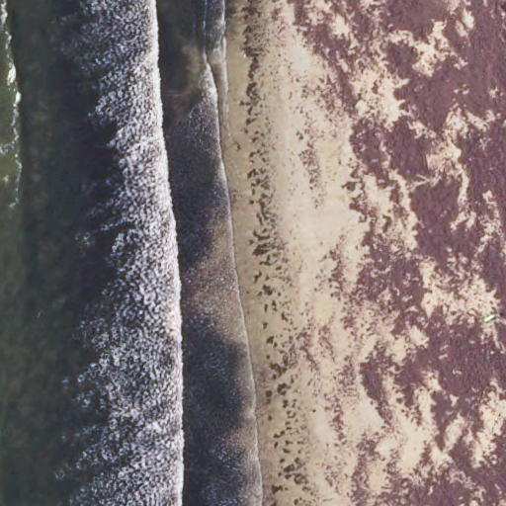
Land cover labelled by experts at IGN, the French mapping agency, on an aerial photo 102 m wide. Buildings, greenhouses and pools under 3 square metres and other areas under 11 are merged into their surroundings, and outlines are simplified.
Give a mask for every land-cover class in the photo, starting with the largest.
<instances>
[{"label":"bare soil","instance_id":"1","mask_svg":"<svg viewBox=\"0 0 506 506\"><path fill-rule=\"evenodd\" d=\"M204 42L198 45V49L204 51V89L208 91V95L200 101L198 107L202 117L210 119L213 115L215 158L219 166L217 176L223 186V198H215L211 204V217L208 223L211 253L210 257L200 261L204 279L210 283L194 293V304L202 312V316L217 318V332L223 336V340L237 342L245 354L243 364L237 372L243 405V419L237 437L241 449L247 453V486H243L239 494L243 500L249 502V506H506V0H202Z\"/></svg>","mask_w":506,"mask_h":506},{"label":"water","instance_id":"2","mask_svg":"<svg viewBox=\"0 0 506 506\"><path fill-rule=\"evenodd\" d=\"M202 0H0V506H249V502L243 500L239 494L243 486H247V453L241 449L237 437L243 419V405L237 372L243 364L245 354L237 342L223 340V336L217 332V318L202 316V312L194 304V293L210 283L204 279L200 261L210 257L211 253L208 223L211 217V204L215 198H223V186L217 176L219 166L215 158L213 115L210 119L202 117L198 107L200 101L208 95V91L204 89V51L198 49V45L204 42Z\"/></svg>","mask_w":506,"mask_h":506}]
</instances>
